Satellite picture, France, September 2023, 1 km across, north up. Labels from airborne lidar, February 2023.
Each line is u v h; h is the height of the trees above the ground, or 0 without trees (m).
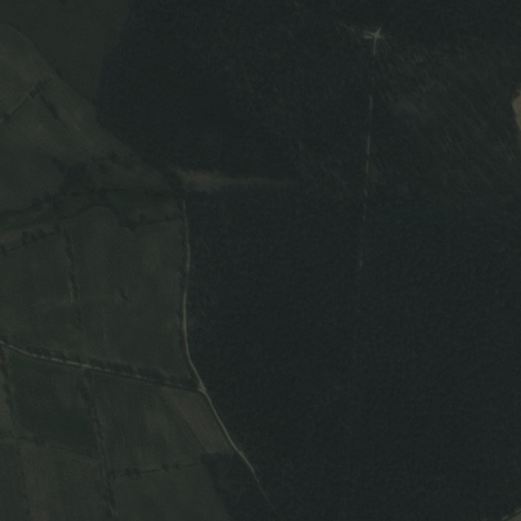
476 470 37
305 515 29
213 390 14
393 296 32
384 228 16
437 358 38
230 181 0
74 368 0
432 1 30
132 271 0
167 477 0
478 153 0
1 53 0
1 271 0
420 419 33
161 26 24
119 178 0
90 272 0
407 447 32
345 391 26
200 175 0
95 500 0
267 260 36
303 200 6
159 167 14
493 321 36
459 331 10
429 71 0
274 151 21
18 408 0
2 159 0
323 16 10
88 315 0
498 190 0
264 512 19
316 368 32
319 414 27
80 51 0
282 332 36
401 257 34
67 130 0
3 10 0
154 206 0
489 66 0
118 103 25
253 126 23
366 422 31
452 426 37
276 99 29
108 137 0
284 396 29
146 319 0
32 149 0
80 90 0
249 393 30
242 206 31
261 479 14
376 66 26
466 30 30
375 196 30
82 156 0
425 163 0
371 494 33
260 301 36
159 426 0
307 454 30
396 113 30
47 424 0
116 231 0
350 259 25
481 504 14
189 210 11
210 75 26
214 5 33
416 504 35
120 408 0
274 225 32
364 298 28
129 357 0
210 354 27
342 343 29
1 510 0
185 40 26
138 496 0
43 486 0
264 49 30
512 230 7
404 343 33
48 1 0
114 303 0
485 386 37
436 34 31
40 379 0
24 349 0
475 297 37
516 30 31
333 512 31
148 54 27
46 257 0
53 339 0
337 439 31
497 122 0
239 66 31
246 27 31
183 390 0
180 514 0
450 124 0
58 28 0
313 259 33
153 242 0
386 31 23
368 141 0
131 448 0
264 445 24
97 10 0
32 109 0
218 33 30
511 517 0
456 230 32
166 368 0
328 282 26
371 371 31
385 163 32
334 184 19
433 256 32
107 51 0
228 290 26
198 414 0
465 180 0
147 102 24
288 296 36
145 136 20
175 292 0
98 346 0
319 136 24
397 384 34
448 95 0
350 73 29
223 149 28
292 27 32
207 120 29
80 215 0
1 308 0
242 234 27
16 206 0
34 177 0
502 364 38
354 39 0
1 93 0
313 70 31
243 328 32
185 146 28
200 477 0
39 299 0
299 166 24
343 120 33
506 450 27
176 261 0
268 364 31
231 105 25
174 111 25
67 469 0
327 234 29
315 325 33
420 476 18
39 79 0
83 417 0
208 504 0
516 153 23
